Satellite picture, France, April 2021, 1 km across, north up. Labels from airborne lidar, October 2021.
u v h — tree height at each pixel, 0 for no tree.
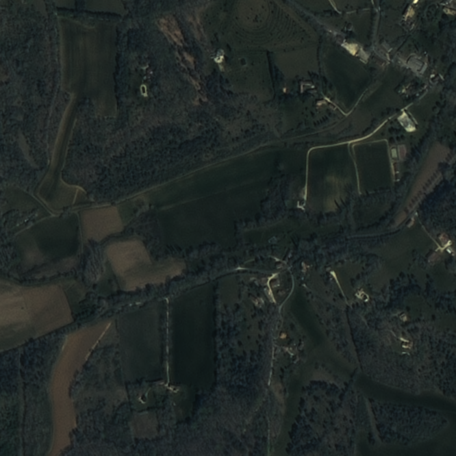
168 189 0
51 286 0
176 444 18
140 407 0
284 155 0
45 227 0
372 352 11
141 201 0
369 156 0
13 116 13
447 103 13
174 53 20
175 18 21
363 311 15
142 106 6
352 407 11
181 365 0
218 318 18
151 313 0
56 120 11
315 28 15
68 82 0
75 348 0
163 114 14
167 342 18
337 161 0
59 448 0
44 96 6
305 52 0
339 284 0
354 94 0
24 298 0
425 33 9
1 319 0
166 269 0
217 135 10
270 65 12
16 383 10
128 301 16
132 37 18
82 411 0
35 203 0
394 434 12
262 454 25
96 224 0
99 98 0
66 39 0
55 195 0
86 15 15
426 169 0
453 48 29
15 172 21
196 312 0
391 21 0
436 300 7
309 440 19
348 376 0
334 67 0
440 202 18
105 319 12
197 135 12
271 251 11
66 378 0
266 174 0
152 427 0
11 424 5
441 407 0
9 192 0
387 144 0
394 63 16
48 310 0
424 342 16
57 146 0
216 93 20
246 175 0
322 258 10
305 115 6
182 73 16
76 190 0
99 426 12
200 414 27
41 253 0
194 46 18
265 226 24
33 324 0
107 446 19
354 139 10
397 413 14
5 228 13
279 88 10
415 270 0
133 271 0
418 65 0
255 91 0
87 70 0
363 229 7
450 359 12
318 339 0
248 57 0
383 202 28
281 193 13
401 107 0
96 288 13
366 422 8
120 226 0
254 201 0
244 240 7
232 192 0
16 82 21
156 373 0
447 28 22
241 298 9
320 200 0
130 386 14
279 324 10
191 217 0
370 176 0
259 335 0
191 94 17
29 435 17
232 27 6
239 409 23
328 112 10
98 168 13
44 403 10
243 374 21
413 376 14
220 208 0
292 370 13
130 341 0
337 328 8
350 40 13
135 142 11
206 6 20
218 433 21
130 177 15
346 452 11
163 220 0
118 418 11
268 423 13
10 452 5
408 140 0
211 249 18
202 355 0
